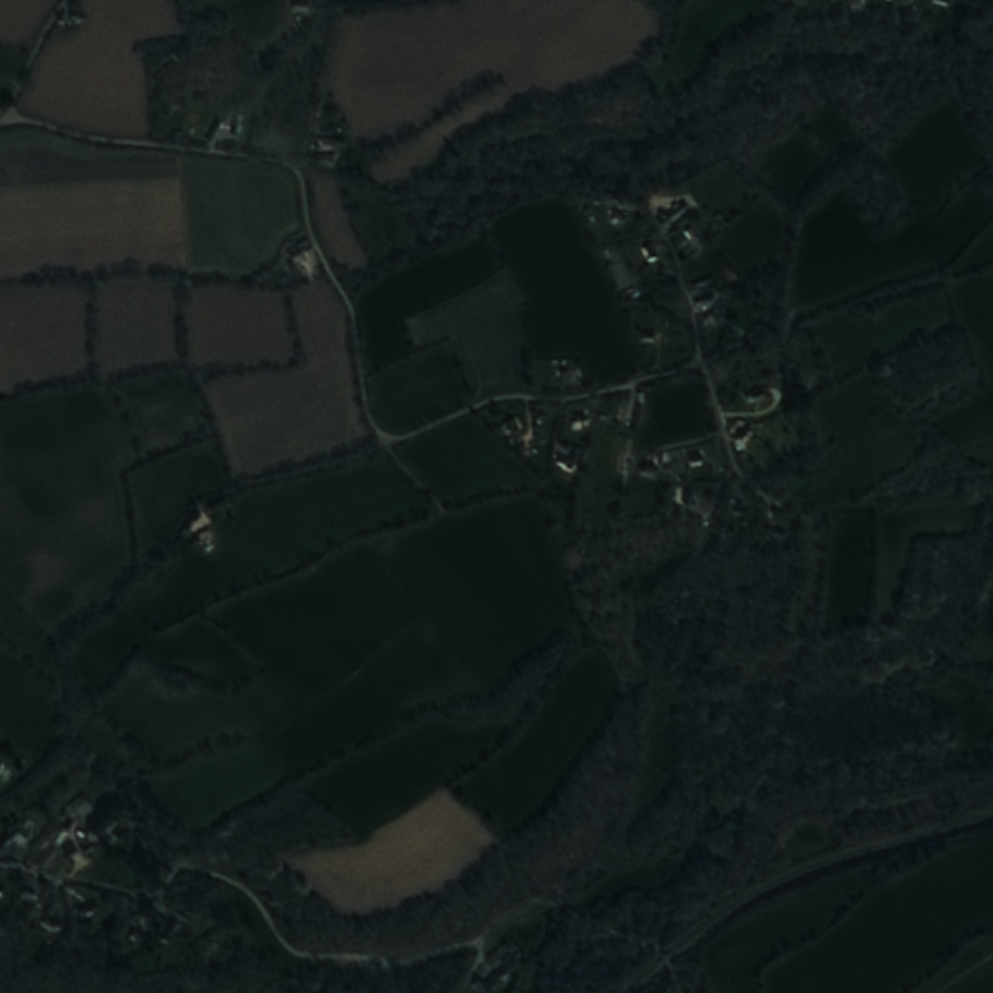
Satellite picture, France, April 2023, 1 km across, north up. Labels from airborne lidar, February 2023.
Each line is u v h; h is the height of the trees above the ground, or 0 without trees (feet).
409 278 0
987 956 0
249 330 0
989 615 0
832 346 0
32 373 0
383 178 0
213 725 0
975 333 0
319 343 0
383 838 0
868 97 58
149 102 27
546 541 0
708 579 54
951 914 0
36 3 0
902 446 0
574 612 40
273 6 0
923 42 70
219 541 0
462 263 0
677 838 40
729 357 51
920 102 68
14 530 0
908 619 58
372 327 0
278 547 0
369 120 0
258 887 42
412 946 76
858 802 56
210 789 0
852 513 0
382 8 49
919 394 48
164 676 31
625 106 54
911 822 56
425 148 0
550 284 0
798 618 0
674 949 0
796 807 69
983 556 65
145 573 49
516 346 0
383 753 0
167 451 34
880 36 33
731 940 0
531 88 0
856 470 0
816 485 0
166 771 47
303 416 0
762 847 59
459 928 79
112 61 0
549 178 94
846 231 0
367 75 0
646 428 0
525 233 0
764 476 44
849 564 0
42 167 0
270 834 48
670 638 71
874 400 0
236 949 63
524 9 0
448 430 0
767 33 67
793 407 57
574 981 71
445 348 0
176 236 0
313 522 0
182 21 34
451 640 0
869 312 60
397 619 0
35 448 0
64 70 0
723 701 61
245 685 28
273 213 0
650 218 36
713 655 69
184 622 28
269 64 61
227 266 0
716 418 48
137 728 0
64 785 47
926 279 23
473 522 0
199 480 0
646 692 65
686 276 0
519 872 57
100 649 0
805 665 80
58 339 0
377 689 0
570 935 59
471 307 0
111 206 0
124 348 0
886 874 55
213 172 0
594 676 0
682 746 58
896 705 57
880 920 0
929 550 62
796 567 40
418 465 0
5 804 31
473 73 0
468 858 0
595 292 0
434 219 47
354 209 42
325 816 45
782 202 33
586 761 55
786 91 83
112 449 0
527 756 0
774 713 79
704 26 0
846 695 51
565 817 73
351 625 0
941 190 0
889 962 0
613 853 69
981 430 0
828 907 0
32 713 0
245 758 0
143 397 0
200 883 39
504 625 0
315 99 40
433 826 0
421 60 0
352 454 45
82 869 0
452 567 0
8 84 0
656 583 59
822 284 0
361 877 0
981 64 94
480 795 0
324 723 0
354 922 53
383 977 74
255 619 0
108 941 20
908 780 77
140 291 0
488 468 0
